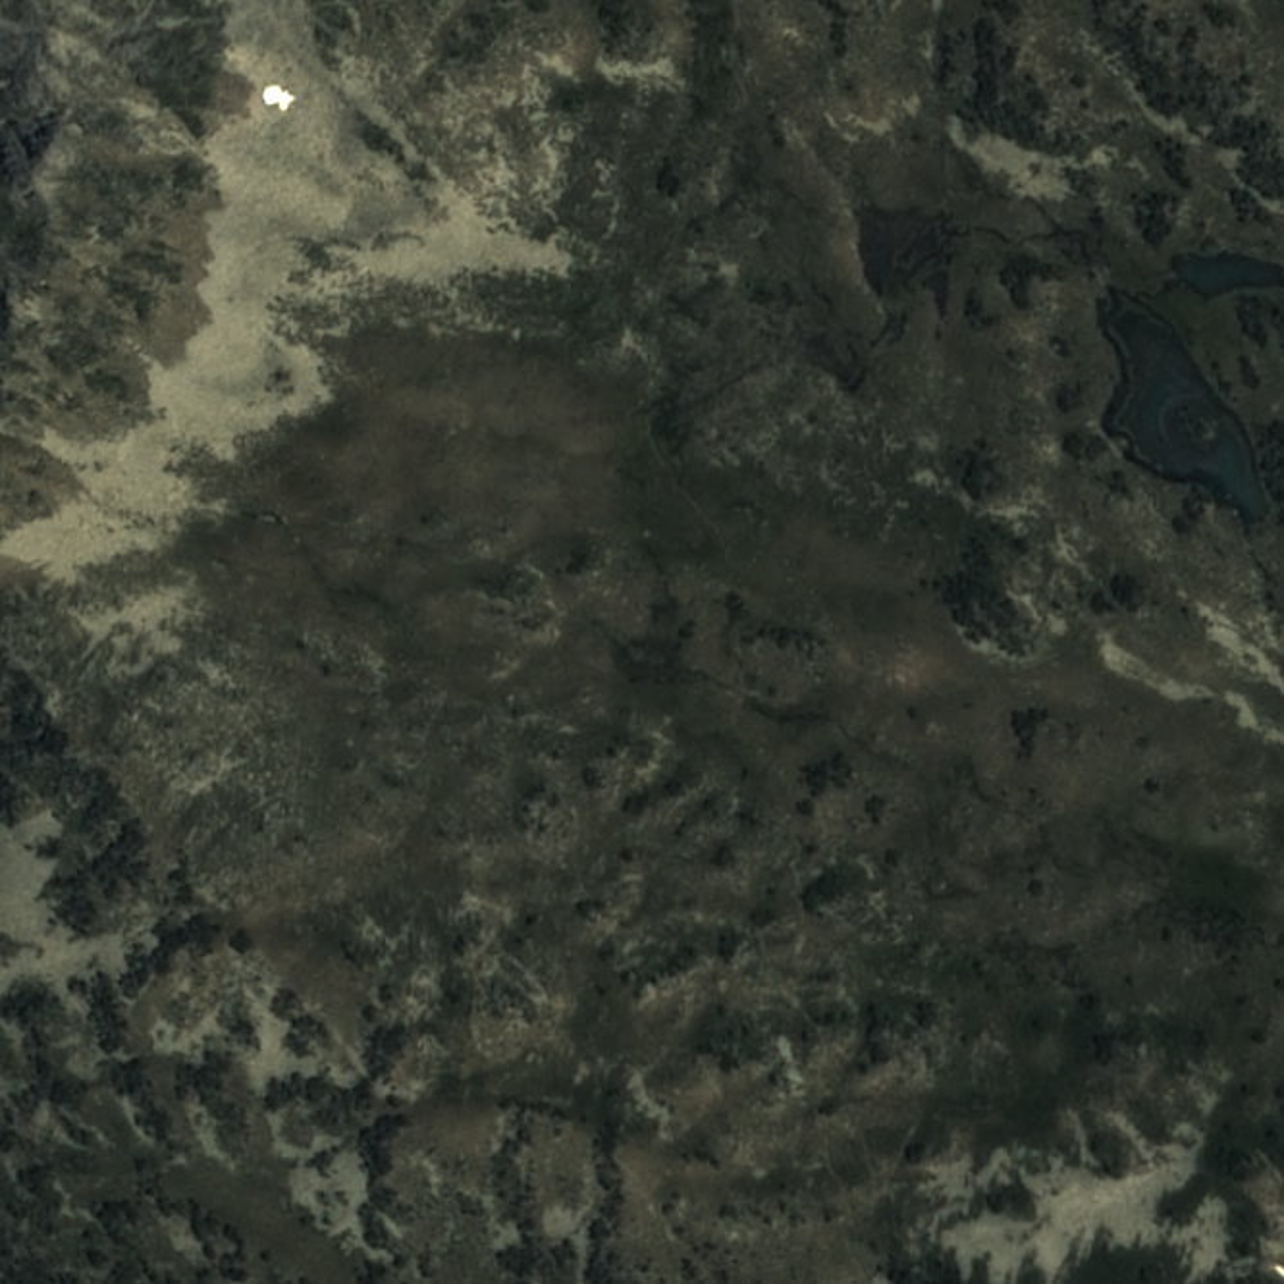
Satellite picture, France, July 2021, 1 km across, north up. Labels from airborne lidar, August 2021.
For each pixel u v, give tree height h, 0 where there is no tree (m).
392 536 0
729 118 0
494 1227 0
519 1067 0
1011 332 0
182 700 0
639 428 0
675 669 0
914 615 0
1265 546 0
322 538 0
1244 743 0
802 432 0
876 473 0
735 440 0
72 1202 0
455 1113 0
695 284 0
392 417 0
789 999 0
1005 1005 0
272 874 0
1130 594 10
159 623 0
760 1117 0
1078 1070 0
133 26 0
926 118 0
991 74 9
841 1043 0
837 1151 0
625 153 0
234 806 0
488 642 0
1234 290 0
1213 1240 0
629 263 0
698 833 0
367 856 0
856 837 0
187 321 0
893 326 0
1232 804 0
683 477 0
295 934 0
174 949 12
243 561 0
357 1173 0
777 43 0
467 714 0
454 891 0
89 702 0
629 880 0
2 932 0
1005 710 0
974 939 0
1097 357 0
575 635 0
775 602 0
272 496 0
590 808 0
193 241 0
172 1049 0
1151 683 0
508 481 0
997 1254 0
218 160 0
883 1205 0
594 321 0
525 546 0
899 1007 0
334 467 0
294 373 0
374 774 0
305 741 0
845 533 0
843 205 0
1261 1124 0
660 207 0
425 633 0
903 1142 0
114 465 0
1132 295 0
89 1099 0
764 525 0
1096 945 0
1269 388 0
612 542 0
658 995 0
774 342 0
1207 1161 0
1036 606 0
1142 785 0
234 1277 11
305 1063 0
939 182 0
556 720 0
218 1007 0
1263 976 0
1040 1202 0
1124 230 0
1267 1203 0
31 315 0
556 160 0
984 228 0
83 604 0
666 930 0
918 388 0
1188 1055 0
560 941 0
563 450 0
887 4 0
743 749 0
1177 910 0
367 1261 6
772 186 0
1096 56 0
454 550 0
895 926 0
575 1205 0
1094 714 0
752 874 0
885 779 0
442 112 0
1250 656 0
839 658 0
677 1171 0
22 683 8
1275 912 0
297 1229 0
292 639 0
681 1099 0
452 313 0
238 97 0
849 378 0
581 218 0
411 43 0
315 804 0
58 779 9
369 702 0
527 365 0
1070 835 0
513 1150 9
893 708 0
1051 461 0
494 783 0
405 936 0
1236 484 0
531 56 0
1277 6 0
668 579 0
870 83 0
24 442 0
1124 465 0
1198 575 0
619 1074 0
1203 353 0
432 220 0
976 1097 0
